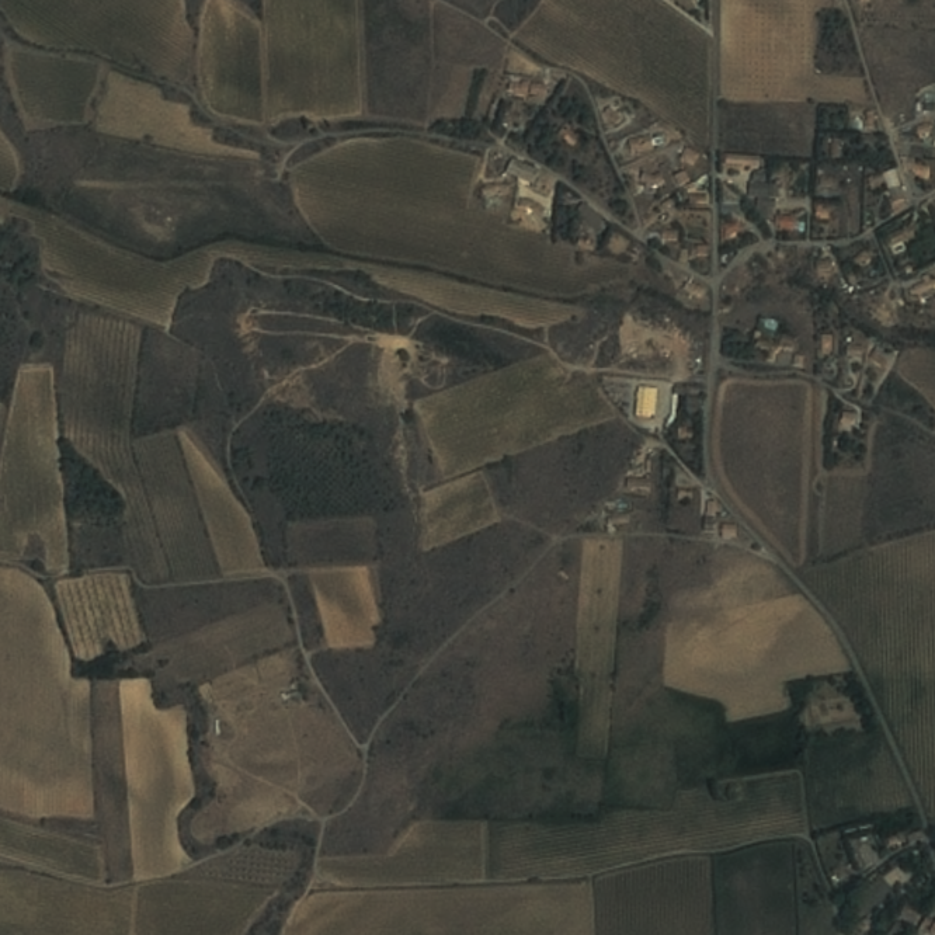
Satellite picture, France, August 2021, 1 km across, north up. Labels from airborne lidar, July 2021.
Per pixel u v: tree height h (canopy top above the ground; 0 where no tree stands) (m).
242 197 0
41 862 0
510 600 0
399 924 0
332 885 0
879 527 0
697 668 0
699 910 0
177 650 0
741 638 0
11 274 9
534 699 0
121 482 0
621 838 0
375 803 0
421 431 0
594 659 0
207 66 0
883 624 0
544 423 0
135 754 0
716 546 0
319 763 0
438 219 0
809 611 0
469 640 0
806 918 0
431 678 0
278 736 0
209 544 0
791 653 0
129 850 0
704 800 0
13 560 0
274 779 0
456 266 0
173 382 0
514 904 0
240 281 0
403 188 0
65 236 0
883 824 6
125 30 0
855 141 6
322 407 0
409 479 0
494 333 0
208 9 0
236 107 0
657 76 0
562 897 0
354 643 0
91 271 0
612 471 0
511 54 0
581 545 0
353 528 0
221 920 0
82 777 0
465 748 0
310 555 0
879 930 14
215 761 0
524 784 0
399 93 0
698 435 8
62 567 0
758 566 0
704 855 0
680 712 0
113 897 0
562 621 0
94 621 0
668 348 0
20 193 7
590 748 0
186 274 0
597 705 0
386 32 0
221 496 0
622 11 0
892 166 7
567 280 0
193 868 0
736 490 0
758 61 0
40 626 0
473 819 0
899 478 0
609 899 0
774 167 10
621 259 10
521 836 0
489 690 0
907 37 0
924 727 0
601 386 0
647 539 0
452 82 0
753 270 0
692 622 0
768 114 0
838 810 0
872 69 0
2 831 0
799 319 0
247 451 5
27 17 0
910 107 0
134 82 0
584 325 0
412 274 0
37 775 0
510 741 0
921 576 0
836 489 0
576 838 0
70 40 0
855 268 8
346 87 0
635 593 0
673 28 0
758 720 0
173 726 0
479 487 0
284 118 0
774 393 0
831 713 0
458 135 7
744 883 0
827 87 0
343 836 0
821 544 0
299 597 0
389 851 0
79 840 0
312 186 0
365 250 0
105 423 0
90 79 0
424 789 0
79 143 0
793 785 0
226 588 0
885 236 12
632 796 0
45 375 0
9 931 0
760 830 0
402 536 0
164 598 0
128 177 0
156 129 0
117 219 0
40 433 0
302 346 0
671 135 0
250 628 0
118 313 0
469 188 0
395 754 0
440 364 0
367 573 0
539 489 0
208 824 0
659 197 8
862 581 0
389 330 0
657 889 0
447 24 0
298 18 0
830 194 0
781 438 0
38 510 0
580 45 0
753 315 0
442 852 0
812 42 0
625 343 0
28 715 0
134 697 0
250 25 0
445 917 0
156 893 0
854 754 0
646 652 0
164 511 0
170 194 0
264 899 0
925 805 0
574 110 11
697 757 0
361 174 0
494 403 0
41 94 0
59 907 0
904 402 0
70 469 12
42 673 0
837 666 0
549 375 0
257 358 0
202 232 0
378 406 0
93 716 0
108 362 0
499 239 0
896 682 0
